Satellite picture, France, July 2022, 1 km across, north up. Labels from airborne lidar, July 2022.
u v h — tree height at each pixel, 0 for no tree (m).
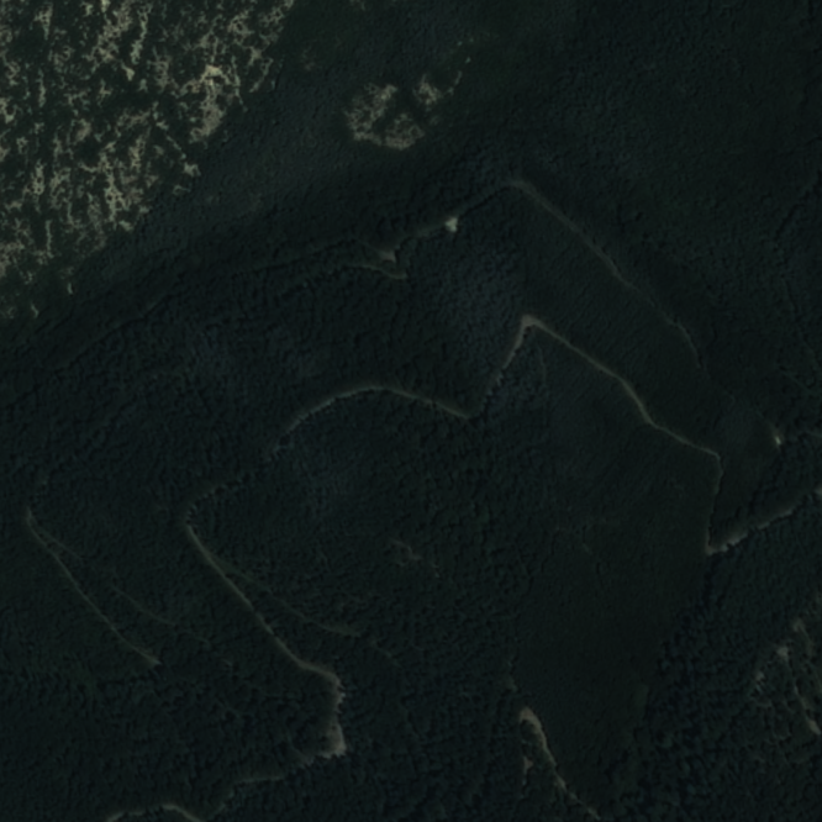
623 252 15
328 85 17
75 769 20
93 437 6
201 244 19
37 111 6
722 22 15
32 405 18
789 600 9
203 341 16
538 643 21
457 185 15
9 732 14
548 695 21
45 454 14
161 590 18
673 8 15
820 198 17
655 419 10
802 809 29
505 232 16
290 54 8
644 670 13
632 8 15
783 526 10
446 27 14
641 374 8
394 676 22
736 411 11
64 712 25
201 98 8
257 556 25
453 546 20
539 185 10
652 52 13
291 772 7
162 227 18
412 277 17
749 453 10
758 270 15
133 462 18
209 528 19
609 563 15
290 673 24
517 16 11
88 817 17
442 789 28
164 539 16
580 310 15
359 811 16
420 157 10
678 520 20
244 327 18
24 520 9
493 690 18
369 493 9
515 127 27
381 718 23
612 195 26
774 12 18
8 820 22
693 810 18
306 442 9
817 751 25
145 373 7
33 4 7
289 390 17
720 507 19
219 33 6
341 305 16
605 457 18
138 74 9
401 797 21
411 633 22
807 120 26
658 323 12
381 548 19
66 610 16
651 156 10
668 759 9
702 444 8
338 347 19
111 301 29
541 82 17
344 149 13
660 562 23
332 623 20
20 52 6
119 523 12
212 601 23
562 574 13
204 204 15
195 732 21
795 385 22
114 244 10
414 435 19
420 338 29
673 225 12
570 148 20
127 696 18
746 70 19
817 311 18
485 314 9
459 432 29
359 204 25
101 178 8
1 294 7
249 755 8
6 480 12
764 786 22
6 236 7
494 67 12
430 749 23
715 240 12
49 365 21
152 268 17
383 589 24
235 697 33
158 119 5
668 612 14
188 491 15
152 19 8
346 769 31
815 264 13
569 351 14
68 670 11
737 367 28
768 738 22
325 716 25
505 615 13
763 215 14
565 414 15
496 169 23
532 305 10
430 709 15
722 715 28
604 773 13
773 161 28
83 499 15
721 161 18
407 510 23
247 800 9
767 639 17
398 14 11
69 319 23
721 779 28
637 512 15
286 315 15
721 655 19
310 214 22
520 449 9
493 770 19
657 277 20
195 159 17
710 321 23
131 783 21
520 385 14
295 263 11
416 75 8
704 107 13
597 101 9
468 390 28
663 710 17
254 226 24
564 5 13
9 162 8
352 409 16
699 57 9
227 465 19
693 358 15
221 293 18
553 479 10
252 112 15
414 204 21
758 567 18
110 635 14
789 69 25
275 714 36
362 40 15
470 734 24
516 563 23
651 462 13
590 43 16
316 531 8
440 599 23
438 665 16
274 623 23
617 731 21
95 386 17
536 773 15
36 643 25
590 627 20
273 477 18
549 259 14
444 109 7
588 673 19
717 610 24
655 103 12
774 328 17
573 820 32
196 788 26
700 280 17
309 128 15
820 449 11
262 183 9
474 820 20
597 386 15
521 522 19
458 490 20
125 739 19
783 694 23
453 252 15
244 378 11
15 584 18
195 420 20
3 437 16
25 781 15
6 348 12
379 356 17
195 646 23
